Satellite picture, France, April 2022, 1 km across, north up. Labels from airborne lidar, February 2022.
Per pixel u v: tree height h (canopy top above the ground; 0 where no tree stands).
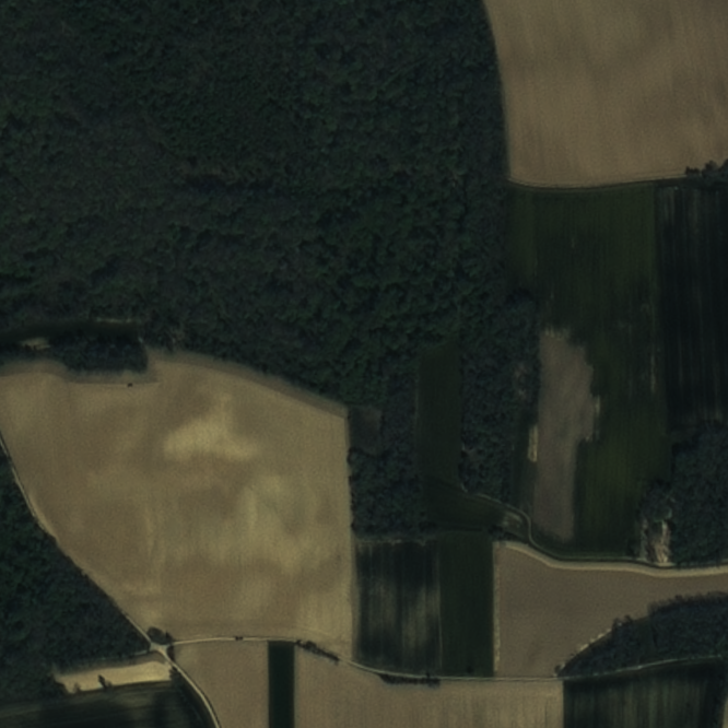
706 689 0
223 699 0
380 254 27
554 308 0
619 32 0
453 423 0
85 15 20
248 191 19
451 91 30
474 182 28
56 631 28
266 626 0
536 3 0
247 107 17
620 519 0
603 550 0
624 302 0
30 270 12
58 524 0
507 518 0
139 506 0
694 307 0
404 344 24
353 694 0
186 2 22
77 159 34
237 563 0
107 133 30
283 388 0
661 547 25
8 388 0
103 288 32
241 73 13
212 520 0
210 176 24
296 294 36
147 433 0
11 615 32
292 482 0
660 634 22
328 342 28
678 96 0
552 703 0
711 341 0
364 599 0
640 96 0
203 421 0
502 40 0
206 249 36
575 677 14
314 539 0
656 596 0
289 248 18
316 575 0
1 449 18
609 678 0
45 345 0
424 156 28
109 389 0
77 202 36
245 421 0
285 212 33
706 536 26
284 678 0
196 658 0
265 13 20
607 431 0
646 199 0
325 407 0
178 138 21
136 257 34
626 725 0
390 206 31
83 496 0
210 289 33
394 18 36
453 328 26
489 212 31
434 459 0
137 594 0
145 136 34
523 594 0
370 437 0
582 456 0
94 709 0
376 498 13
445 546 0
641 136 0
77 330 0
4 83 35
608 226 0
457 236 27
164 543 0
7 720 0
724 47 0
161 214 36
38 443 0
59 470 0
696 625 27
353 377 24
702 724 0
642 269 0
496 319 20
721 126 0
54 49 24
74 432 0
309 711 0
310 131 27
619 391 0
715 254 0
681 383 0
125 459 0
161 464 0
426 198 30
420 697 0
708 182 14
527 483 0
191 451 0
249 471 0
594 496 0
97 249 37
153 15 12
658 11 0
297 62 24
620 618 0
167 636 10
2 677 29
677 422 0
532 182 0
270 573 0
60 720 0
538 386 19
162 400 0
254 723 0
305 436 0
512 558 0
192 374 0
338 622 0
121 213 33
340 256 34
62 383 0
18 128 33
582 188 0
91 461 0
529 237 0
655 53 0
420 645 0
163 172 33
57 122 35
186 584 0
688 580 0
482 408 19
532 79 0
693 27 0
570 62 0
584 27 0
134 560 0
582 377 0
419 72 20
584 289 0
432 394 0
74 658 26
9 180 33
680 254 0
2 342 0
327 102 29
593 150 0
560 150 0
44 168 33
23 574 23
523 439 0
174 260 32
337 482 0
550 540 0
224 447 0
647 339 0
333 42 25
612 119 0
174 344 22
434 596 0
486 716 0
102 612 20
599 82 0
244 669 0
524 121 0
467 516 0
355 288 30
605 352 0
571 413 0
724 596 0
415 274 29
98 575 0
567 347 0
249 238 30
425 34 34
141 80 17
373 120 35
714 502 26
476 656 0
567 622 0
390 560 0
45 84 33
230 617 0
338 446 0
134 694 0
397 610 0
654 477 0
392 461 22
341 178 29
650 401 0
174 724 0
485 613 0
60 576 23
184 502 0
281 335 32
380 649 0
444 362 0
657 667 0
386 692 0
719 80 0
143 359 23
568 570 0
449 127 31
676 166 0
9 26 29
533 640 0
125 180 35
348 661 0
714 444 28
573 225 0
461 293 22
